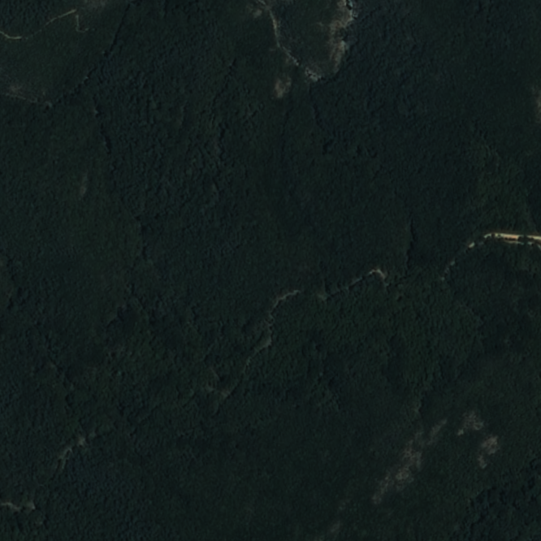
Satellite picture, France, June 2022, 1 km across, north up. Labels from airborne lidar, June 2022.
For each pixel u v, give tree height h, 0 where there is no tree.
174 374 13
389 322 12
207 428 19
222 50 16
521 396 10
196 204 7
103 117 20
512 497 28
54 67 10
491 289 10
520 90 8
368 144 20
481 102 10
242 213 15
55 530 17
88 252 7
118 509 11
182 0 21
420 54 6
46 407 22
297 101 10
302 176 11
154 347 13
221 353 15
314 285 15
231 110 15
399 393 15
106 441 14
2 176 10
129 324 23
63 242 6
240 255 11
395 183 19
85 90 20
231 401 14
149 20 18
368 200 9
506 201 14
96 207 15
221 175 19
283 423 13
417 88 6
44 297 14
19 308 16
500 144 10
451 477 13
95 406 17
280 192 7
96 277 7
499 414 10
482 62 10
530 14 7
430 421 9
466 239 12
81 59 11
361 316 14
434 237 13
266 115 18
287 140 14
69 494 17
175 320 6
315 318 12
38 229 7
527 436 9
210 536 10
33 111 18
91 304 7
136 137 12
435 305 15
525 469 19
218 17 9
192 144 18
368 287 14
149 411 15
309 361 16
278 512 6
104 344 10
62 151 13
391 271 14
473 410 7
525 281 8
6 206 6
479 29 18
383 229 10
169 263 8
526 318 13
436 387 21
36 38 6
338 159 18
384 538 17
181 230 11
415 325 16
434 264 15
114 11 12
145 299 17
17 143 17
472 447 8
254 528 6
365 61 11
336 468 6
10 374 7
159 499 16
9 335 16
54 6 7
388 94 11
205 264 12
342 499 5
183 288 13
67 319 6
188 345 12
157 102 7
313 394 16
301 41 8
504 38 9
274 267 12
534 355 11
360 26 6
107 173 12
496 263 12
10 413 17
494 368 12
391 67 7
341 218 13
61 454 12
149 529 9
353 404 13
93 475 19
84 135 7
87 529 11
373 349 15
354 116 13
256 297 11
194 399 15
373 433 12
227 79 13
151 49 12
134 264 19
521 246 7
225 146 20
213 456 17
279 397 19
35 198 11
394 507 7
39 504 20
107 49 13
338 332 15
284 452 7
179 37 11
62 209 11
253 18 7
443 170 11
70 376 19
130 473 12
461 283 10
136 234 22
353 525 11
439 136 15
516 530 18
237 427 15
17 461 16
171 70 11
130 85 7
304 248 14
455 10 11
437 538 17
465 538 14
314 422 11
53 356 19
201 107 16
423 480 10
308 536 8
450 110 8
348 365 14
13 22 19
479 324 12
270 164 7
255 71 14
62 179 15
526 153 10
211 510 9
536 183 9
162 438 12
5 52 7
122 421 18
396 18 7
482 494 9
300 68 14
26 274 11
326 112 14
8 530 18
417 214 18
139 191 15
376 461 7
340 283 11
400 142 14
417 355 18
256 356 9
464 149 13
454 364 19
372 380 13
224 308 12
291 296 9
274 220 13
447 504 6
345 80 19
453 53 8
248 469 15
